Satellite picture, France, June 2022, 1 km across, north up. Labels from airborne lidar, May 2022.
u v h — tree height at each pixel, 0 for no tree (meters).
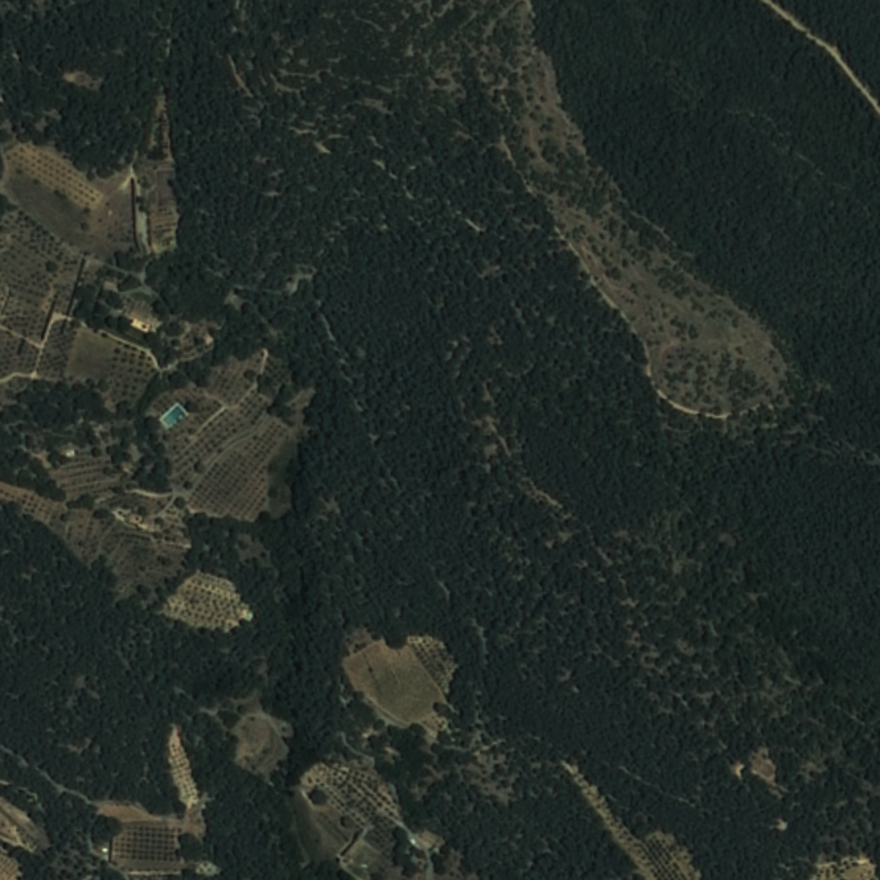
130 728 16
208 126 13
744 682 15
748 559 16
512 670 15
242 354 19
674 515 6
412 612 13
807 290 11
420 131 7
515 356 17
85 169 10
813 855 14
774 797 6
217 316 10
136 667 14
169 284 8
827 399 10
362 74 8
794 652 12
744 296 9
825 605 8
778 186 13
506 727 11
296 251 20
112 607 17
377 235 15
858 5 10
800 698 8
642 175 17
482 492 15
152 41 13
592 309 16
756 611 7
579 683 15
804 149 7
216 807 11
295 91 7
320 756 19
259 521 9
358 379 13
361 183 17
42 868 12
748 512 10
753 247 12
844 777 15
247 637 16
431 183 13
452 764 8
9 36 18
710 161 5
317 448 9
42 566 16
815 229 12
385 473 14
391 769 14
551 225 14
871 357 15
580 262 12
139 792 10
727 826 15
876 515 14
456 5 6
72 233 0
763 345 0
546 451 16
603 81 9
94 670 15
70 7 14
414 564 18
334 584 16
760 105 7
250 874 15
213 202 12
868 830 12
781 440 12
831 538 10
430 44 8
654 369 0
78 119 17
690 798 15
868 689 8
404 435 16
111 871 6
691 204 17
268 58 5
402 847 13
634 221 8
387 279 13
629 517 16
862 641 6
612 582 17
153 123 9
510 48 6
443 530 14
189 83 16
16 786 12
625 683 12
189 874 12
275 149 12
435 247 16
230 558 13
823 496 11
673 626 17
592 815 12
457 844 17
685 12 7
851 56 14
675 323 8
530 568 7
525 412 14
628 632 14
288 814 17
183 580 15
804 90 7
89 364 0
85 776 14
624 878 15
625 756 17
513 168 13
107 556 11
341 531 11
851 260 8
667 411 13
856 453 10
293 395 13
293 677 22
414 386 16
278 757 0
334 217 16
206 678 25
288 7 7
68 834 12
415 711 0
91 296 11
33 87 10
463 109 14
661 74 10
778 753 6
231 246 14
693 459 15
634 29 11
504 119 8
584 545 15
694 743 15
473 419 5
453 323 14
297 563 20
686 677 6
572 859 16
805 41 15
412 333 13
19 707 18
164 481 14
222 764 13
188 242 13
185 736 8
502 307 14
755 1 11
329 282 15
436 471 10
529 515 18
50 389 8
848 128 11
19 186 0
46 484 9
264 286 15
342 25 5
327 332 10
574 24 5
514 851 14
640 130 16
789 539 7
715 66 7
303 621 11
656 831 10
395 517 18
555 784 13
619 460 17
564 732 18
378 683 0
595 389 17
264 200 17
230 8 7
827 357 17
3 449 15
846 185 13
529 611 16
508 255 15
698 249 8
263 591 17
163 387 6
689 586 8
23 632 15
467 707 14
